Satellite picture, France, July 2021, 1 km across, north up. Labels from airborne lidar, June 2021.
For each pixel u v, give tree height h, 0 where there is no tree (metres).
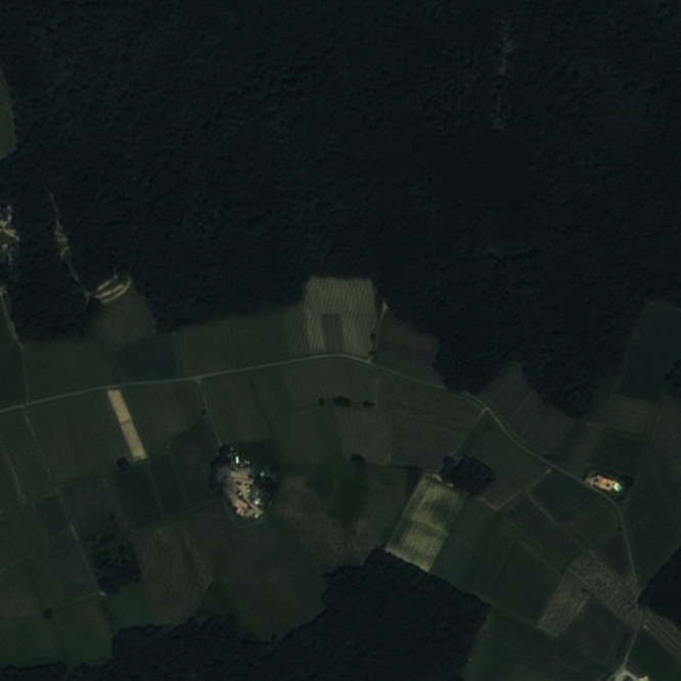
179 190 24
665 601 18
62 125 27
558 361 27
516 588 0
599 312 20
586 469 0
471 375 18
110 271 23
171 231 23
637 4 18
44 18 18
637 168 18
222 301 22
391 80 18
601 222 15
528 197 10
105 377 0
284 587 0
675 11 19
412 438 0
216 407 0
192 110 23
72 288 25
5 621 0
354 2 22
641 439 0
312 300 0
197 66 28
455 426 0
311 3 22
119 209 25
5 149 0
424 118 23
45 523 0
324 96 22
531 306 22
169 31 26
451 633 25
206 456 0
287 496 0
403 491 0
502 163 10
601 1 20
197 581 0
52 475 0
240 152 25
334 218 22
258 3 25
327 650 24
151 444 0
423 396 0
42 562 0
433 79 20
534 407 0
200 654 22
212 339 0
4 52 12
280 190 17
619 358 21
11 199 21
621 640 0
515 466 0
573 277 22
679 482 0
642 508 0
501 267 25
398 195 21
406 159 26
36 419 0
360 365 0
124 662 26
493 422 0
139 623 0
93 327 0
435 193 11
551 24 19
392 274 19
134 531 0
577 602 0
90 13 13
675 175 25
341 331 0
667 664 0
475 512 0
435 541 0
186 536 0
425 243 16
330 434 0
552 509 0
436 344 0
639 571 0
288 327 0
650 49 27
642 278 24
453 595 21
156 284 14
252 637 6
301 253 26
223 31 18
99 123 21
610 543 0
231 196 25
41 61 19
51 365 0
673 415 0
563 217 20
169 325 19
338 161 20
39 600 0
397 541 0
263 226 26
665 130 11
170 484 0
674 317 0
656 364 0
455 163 10
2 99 0
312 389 0
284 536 0
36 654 0
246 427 0
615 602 0
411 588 22
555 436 0
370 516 0
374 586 24
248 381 0
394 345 0
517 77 12
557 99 14
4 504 0
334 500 0
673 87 26
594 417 0
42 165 28
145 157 21
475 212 10
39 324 25
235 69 24
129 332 0
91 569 0
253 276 24
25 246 24
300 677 12
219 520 0
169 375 0
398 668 27
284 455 0
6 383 0
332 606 23
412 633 22
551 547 0
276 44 22
